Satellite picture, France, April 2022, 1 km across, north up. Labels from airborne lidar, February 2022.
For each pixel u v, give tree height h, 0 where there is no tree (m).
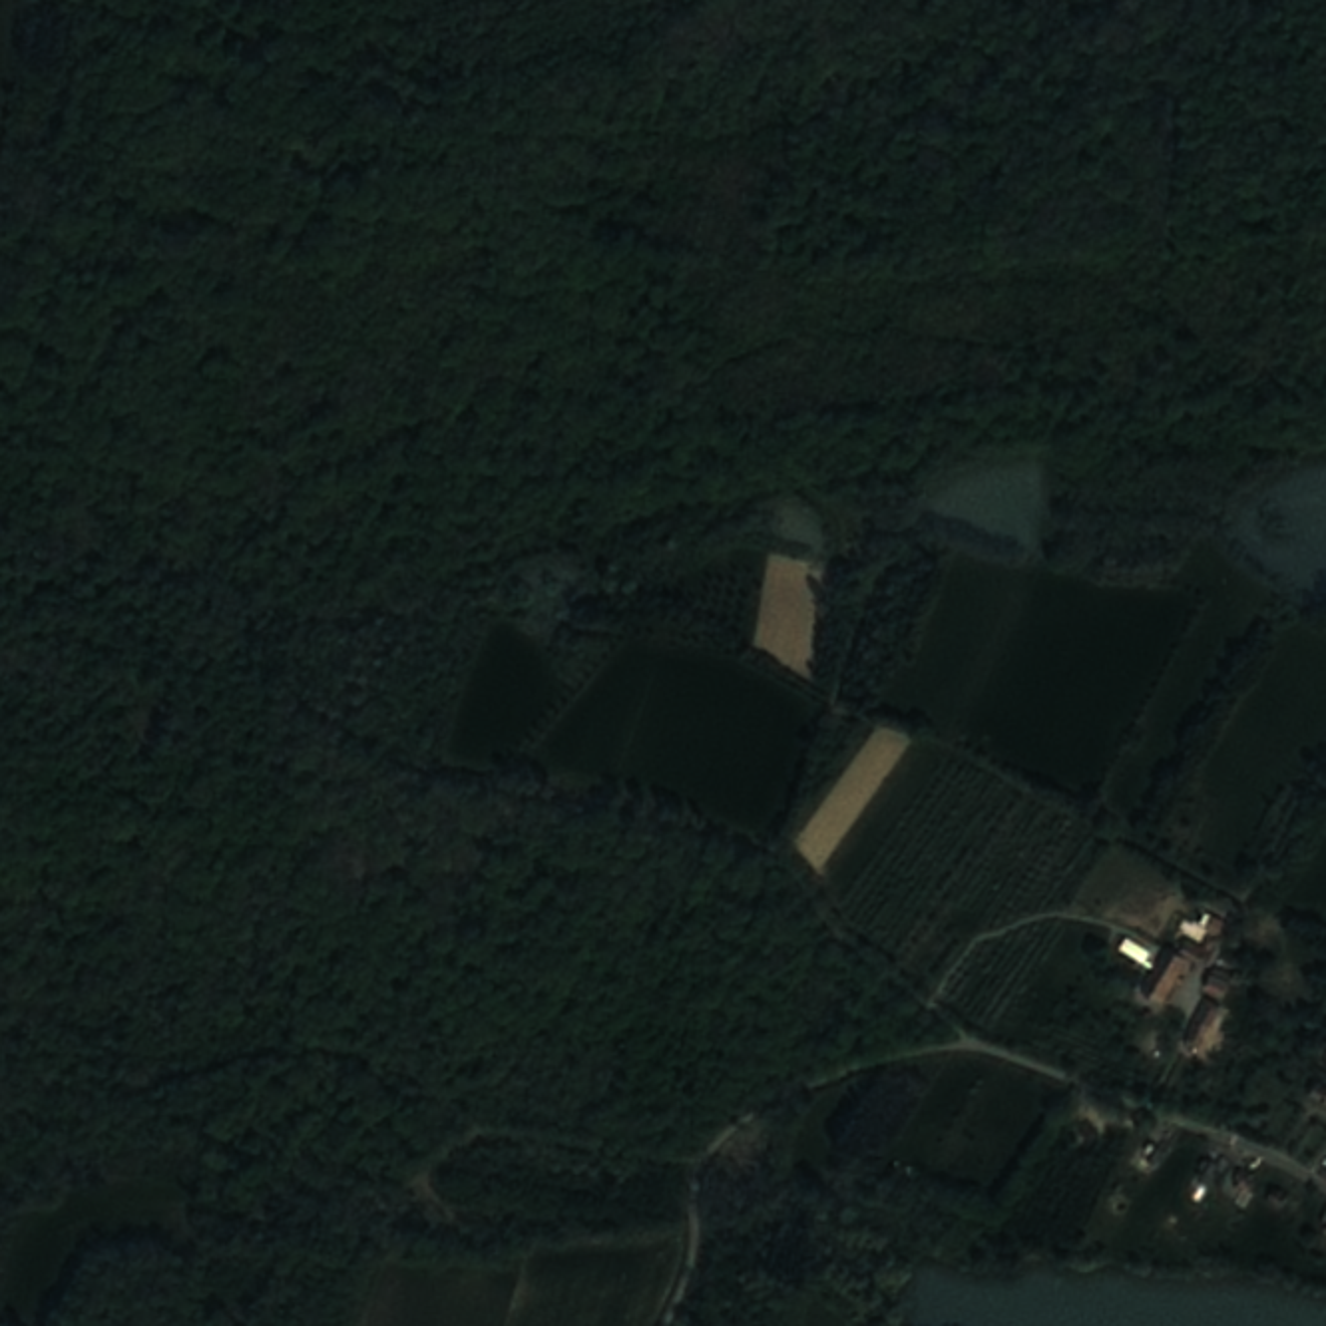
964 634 0
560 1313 0
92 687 24
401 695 11
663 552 15
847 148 28
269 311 21
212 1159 22
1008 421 26
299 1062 19
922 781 0
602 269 26
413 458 30
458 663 16
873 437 26
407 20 14
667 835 27
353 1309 19
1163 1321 0
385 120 28
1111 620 0
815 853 0
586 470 26
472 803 21
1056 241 29
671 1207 8
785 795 0
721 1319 10
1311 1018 12
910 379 15
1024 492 0
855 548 0
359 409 21
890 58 30
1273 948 0
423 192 28
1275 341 15
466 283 19
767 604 0
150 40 27
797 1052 24
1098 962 10
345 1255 20
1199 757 0
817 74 30
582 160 25
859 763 0
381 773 24
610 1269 0
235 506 24
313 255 29
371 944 25
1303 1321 0
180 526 25
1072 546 21
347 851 25
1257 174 31
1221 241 24
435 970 24
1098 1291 0
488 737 0
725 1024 20
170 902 18
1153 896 0
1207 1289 0
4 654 29
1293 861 13
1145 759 0
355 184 30
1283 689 0
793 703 0
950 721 0
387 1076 17
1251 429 18
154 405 28
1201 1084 9
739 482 23
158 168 30
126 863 22
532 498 27
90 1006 20
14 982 26
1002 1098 0
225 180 26
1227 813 0
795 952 20
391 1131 29
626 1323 0
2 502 24
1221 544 12
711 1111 18
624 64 29
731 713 0
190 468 24
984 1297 0
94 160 23
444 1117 18
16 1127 21
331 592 24
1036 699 0
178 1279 25
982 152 23
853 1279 26
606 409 29
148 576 25
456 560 21
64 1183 10
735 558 0
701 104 29
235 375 20
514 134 30
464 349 27
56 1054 16
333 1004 24
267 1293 18
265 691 21
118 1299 27
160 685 13
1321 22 31
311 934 20
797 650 0
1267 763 0
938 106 33
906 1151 0
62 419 28
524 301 28
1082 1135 0
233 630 19
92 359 28
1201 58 32
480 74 21
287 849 23
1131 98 31
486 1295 0
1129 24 33
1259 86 27
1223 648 0
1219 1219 0
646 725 0
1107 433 14
